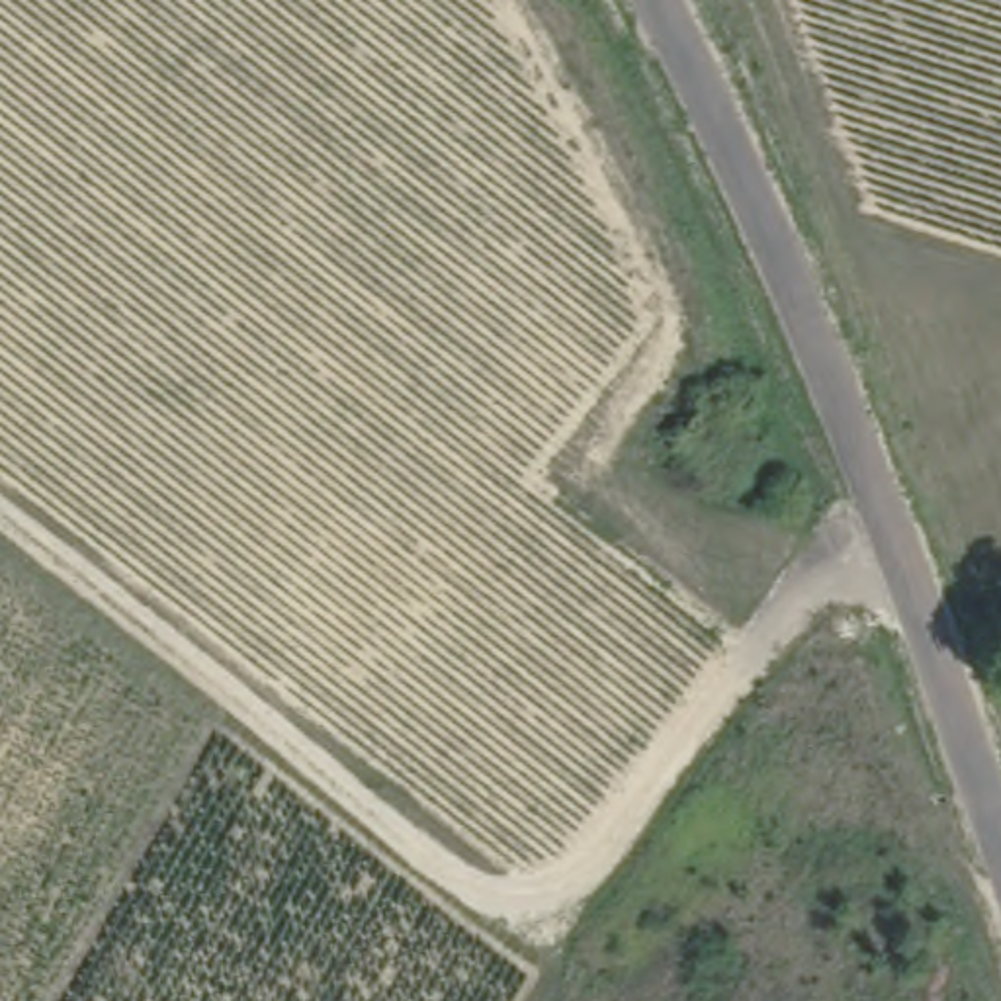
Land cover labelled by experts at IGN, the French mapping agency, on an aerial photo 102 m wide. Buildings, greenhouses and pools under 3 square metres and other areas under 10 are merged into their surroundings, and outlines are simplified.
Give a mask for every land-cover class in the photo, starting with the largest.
<instances>
[{"label":"vineyard","instance_id":"1","mask_svg":"<svg viewBox=\"0 0 1001 1001\"><path fill-rule=\"evenodd\" d=\"M559 129L547 125V113L532 98V86L524 78V66L508 51V35L493 23L485 0H0V497L27 512L35 524H43L55 540L74 547L129 598H137L180 637H188L203 657L227 669L242 688H250L266 708H274L305 739L328 751L360 786H368L375 798L399 809L414 829H422L485 876H508L520 864L559 856L567 837L602 802L610 778L626 770L637 751L649 747L661 719L673 712V704L692 684L708 653L719 645V637L735 626L716 606L700 602L688 587H676L661 567L626 555L598 532H590L579 516L563 512L559 501H544L524 485V465L532 461V454L563 422L571 403L583 391H590L598 368L633 328L626 289L633 282V270L622 278L614 274V242L606 239V223L594 215V199L583 192V176L555 141ZM798 31V59L805 70L817 74L833 125L829 137L849 160L860 211L892 227L1001 258V0H782ZM559 958V942L540 946L520 938L504 919L473 911L450 888L418 872L371 825L344 809L332 794H325L309 774H301L278 747H270L258 731L235 719L203 688H196L180 669L160 661L137 637H129L113 618H106L82 594H74L51 571H43L27 551H20L0 532V1001H532L540 989V974Z\"/></svg>","mask_w":1001,"mask_h":1001},{"label":"herbaceous vegetation","instance_id":"2","mask_svg":"<svg viewBox=\"0 0 1001 1001\"><path fill-rule=\"evenodd\" d=\"M493 23L508 35V51L524 66V78L532 86V98L547 113V125L559 129L555 141L583 176V192L594 199V215L606 223V239L614 242V274L622 278L633 270V282L626 289L633 328L598 368L590 391H583L571 403L563 422L532 454V461L524 465V485L544 501H559L563 512L579 516L590 532H598L626 555L661 567L676 587H688L700 602L716 606L735 626L755 618L774 579L786 575L813 544L751 512L708 516L700 508L704 501L657 485L653 461V438L661 430L676 434L692 422L700 387H712L719 379H762V368H774L782 379L798 371L778 313L751 258V246L739 231V219L716 180L708 149L657 51L649 43H637V12L630 0H485ZM716 39L712 55L719 63V74L731 82L735 106L762 152V164L790 203L794 231L805 250L821 305L829 321L841 328L852 379L864 387L868 418L888 446L895 481L911 504V516L923 524L931 555L946 579L942 602L931 618V633L978 676L985 673V633L1001 618V258L892 227L860 211L849 160L829 137L833 125L817 74L805 70L798 59V31L782 0H696ZM813 825H864L903 837L907 852L919 856V864L931 876L958 884L966 892L974 888V845L962 833L954 790L938 759L935 727L915 708L907 661L899 657L895 633L880 626V618L868 606L829 602L813 610L805 630L766 665L762 676H755L751 688L747 696H739L719 731L680 770L676 786L661 798L649 825L618 860V868L583 899L571 931L559 942V958L540 974V989L532 1001H915V989L903 974H895L892 966L860 970V950L852 942H833L829 927L845 907V895L833 888L813 899L802 888V880L782 872L774 852H782L798 833Z\"/></svg>","mask_w":1001,"mask_h":1001},{"label":"impervious surface","instance_id":"3","mask_svg":"<svg viewBox=\"0 0 1001 1001\"><path fill-rule=\"evenodd\" d=\"M637 12V43H649L657 51L708 149L716 180L739 219V231L751 246V258L778 313L798 371L805 379L817 418L825 422V434L837 450L852 497L829 504L813 532V544L786 575L774 579L755 618L735 626L719 637V645L735 657V676L751 688L755 676H762L766 665L805 630L813 610L829 602L868 606L880 618V626L895 633L899 657L907 661L915 708L935 727L938 759L954 790L962 833L974 845V888L985 907L989 938L1001 954V712L985 700L978 676L931 633V618L942 602L946 579L931 555L923 524L911 516V504L895 481L888 446L868 418L864 387L852 379L841 328L829 321L821 305L805 250L794 231L790 203L762 164V152L735 106L731 82L719 74V63L712 55L716 39L696 0H630Z\"/></svg>","mask_w":1001,"mask_h":1001},{"label":"brushwood","instance_id":"4","mask_svg":"<svg viewBox=\"0 0 1001 1001\"><path fill-rule=\"evenodd\" d=\"M653 461L657 485L704 501L700 508L708 516L751 512L813 544V532L829 504L852 497L837 450L825 434V422L817 418L805 379L798 371L782 379L774 368H762V379H719L712 387H700L692 422L676 434L661 430L653 438ZM782 872L802 880V888L813 899L833 888L845 895V907L829 927L833 942H852L860 950V970L892 966L895 974H903L915 989V1001H1001V954L989 938L985 907L974 888L966 892L958 884L931 876L919 864V856L907 852L903 837L864 825H813L798 833L782 852H774Z\"/></svg>","mask_w":1001,"mask_h":1001},{"label":"pervious surface","instance_id":"5","mask_svg":"<svg viewBox=\"0 0 1001 1001\"><path fill-rule=\"evenodd\" d=\"M0 532L20 551H27L43 571H51L74 594H82L106 618H113L129 637H137L160 661L180 669L196 688H203L235 719L258 731L270 747H278L301 774H309L325 794H332L344 809L371 825L418 872L450 888L473 911L504 919L520 938L540 946L559 942L571 931L583 899L618 868V860L649 825L661 798L676 786L680 770L719 731L739 696H747L751 688L735 676V657L719 645L708 653L692 684L673 704V712L661 719L649 747L637 751L626 770L610 778L602 802L567 837L559 856L520 864L508 876H485L422 829H414L399 809L375 798L368 786H360L328 751L305 739L274 708H266L250 688H242L227 669L203 657L188 637H180L137 598H129L74 547L55 540L43 524H35L27 512L0 497Z\"/></svg>","mask_w":1001,"mask_h":1001},{"label":"deciduous trees","instance_id":"6","mask_svg":"<svg viewBox=\"0 0 1001 1001\"><path fill-rule=\"evenodd\" d=\"M985 700L1001 712V618L985 633V673L978 676Z\"/></svg>","mask_w":1001,"mask_h":1001}]
</instances>
